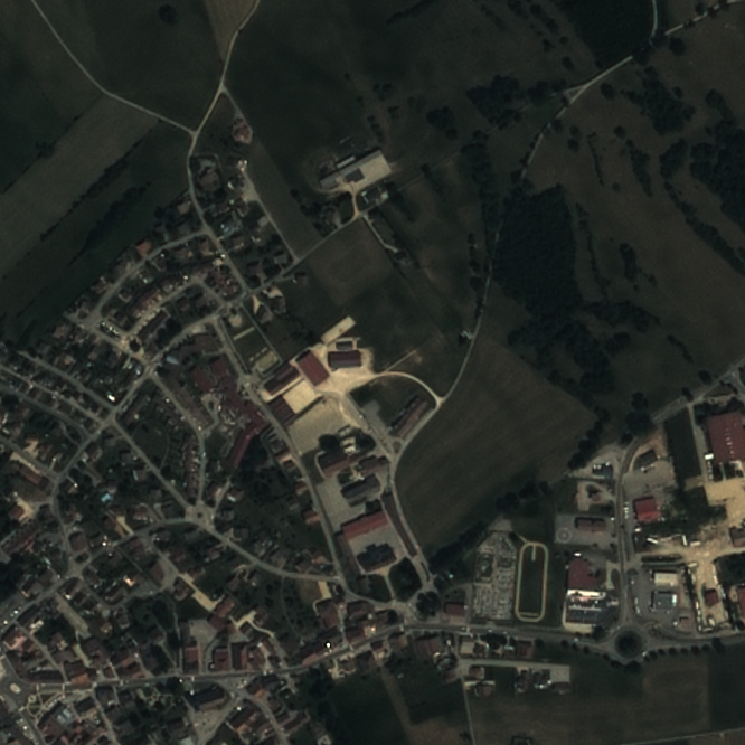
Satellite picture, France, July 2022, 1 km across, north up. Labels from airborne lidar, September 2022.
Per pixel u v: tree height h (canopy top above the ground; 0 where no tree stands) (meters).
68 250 0
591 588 0
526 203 12
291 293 0
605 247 0
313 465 0
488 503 0
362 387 0
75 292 0
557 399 0
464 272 0
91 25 0
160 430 0
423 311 0
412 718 0
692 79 0
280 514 0
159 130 0
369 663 0
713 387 0
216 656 0
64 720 0
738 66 0
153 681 0
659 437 0
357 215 0
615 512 0
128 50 0
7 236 0
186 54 0
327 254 0
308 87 0
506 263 13
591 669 0
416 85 0
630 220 0
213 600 0
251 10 0
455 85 0
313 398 0
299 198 10
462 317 0
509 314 0
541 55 0
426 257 0
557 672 0
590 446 19
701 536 0
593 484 0
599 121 0
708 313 0
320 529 0
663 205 0
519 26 0
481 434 0
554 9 0
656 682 0
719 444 0
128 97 0
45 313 0
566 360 0
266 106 0
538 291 11
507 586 0
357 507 0
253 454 15
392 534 0
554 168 0
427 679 0
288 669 0
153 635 0
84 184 0
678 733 0
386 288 0
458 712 0
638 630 0
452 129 12
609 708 0
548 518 0
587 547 0
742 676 0
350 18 0
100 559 0
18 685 0
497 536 0
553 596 0
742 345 0
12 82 0
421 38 0
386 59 0
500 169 0
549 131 16
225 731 0
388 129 0
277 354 0
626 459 0
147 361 0
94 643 0
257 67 0
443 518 0
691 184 0
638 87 0
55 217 0
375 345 0
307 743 0
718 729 0
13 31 0
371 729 0
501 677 0
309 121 0
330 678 10
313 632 0
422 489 0
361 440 17
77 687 0
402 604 0
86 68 0
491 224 19
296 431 0
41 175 0
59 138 0
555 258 8
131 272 0
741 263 7
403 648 6
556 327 20
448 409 0
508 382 0
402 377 0
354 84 0
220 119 0
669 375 0
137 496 6
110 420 0
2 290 0
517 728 0
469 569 15
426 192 0
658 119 7
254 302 0
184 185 0
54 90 0
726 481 0
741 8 0
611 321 9
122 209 12
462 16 0
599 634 12
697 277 0
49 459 0
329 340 0
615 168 0
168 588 0
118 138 0
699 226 7
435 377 0
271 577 0
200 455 0
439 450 0
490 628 0
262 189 0
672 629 0
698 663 0
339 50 0
